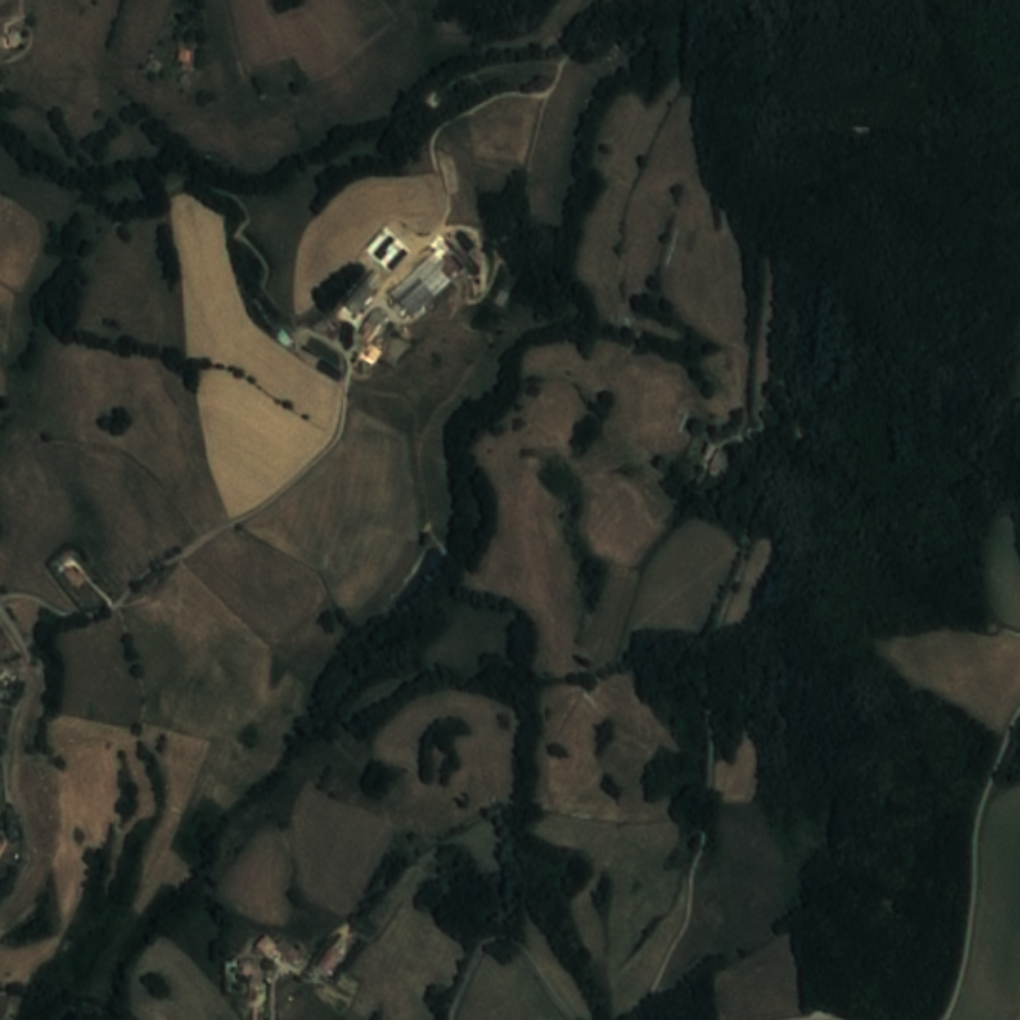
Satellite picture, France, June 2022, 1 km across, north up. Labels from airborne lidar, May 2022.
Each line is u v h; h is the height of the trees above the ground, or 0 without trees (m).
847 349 27
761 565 0
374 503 0
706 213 0
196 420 0
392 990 0
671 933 0
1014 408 13
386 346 0
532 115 0
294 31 0
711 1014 14
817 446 17
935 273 12
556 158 0
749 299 8
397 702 9
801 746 17
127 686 0
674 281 0
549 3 12
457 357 0
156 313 0
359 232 0
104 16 0
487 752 0
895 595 16
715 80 11
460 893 13
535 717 18
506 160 0
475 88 9
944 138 16
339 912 0
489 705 0
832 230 10
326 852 0
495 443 0
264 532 0
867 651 16
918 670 0
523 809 16
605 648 0
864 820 15
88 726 0
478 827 0
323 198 14
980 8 10
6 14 0
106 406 0
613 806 0
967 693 0
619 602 0
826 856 10
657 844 0
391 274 0
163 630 0
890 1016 11
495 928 12
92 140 15
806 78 16
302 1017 0
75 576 0
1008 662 0
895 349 8
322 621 11
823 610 16
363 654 9
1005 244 12
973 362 12
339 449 0
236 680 0
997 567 0
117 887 10
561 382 0
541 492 0
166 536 0
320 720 19
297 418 0
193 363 16
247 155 0
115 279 0
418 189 0
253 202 0
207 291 0
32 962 0
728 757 9
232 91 0
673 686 15
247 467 0
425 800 0
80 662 0
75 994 21
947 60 9
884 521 19
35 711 0
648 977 0
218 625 0
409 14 0
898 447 21
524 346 10
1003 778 11
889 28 25
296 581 0
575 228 13
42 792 0
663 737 0
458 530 20
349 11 0
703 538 0
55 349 0
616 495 0
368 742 12
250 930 0
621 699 0
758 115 14
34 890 0
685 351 8
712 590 0
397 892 0
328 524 0
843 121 10
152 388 0
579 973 16
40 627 13
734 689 10
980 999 0
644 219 0
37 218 0
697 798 16
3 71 8
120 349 11
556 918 19
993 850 0
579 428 12
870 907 16
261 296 6
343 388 0
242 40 0
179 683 0
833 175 12
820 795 8
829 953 17
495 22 13
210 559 0
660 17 19
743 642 16
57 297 20
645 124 0
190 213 0
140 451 0
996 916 0
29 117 0
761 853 0
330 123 0
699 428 16
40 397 0
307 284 0
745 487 16
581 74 0
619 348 0
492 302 6
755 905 0
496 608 16
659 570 0
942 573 13
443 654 0
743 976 0
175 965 0
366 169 14
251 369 0
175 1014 0
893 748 17
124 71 0
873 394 10
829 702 14
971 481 15
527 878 22
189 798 0
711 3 23
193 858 0
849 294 13
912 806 16
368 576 0
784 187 10
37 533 0
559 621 0
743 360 0
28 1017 8
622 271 0
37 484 0
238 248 9
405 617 18
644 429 0
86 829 0
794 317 15
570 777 0
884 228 8
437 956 0
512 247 16
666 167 0
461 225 0
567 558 0
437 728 11
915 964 15
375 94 0
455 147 0
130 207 23
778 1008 0
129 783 8
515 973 0
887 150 11
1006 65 12
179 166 20
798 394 17
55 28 0
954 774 18
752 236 13
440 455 0
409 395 0
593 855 0
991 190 12
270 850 0
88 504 0
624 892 0
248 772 0
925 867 15
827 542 17
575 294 18
